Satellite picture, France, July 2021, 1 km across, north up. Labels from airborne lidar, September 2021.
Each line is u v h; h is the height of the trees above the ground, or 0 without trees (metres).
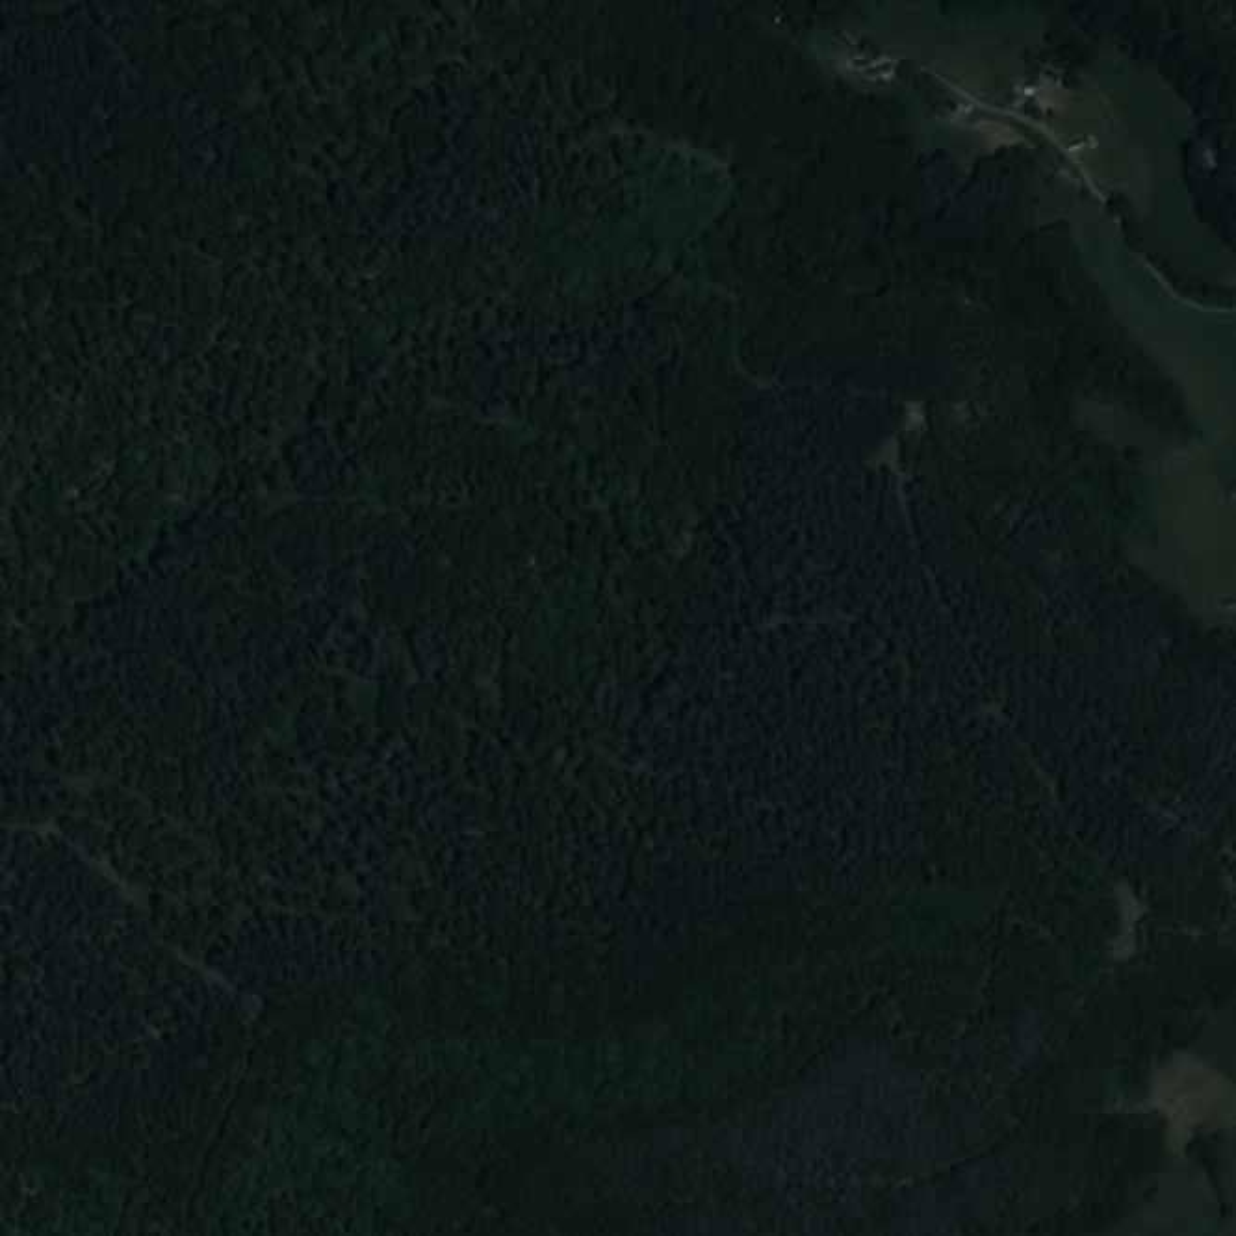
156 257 20
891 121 10
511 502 13
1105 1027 18
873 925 26
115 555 19
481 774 24
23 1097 21
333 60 29
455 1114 21
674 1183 17
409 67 30
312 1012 17
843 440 23
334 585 18
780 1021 19
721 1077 12
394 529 11
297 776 18
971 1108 19
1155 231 0
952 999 18
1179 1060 0
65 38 16
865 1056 20
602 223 21
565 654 27
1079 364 23
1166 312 0
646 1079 19
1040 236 18
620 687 15
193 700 21
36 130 13
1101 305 20
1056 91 0
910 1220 20
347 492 10
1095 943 15
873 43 19
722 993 18
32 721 15
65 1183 17
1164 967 20
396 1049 16
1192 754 20
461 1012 19
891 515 22
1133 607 20
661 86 16
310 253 23
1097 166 0
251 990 20
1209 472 0
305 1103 17
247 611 14
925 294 16
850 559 29
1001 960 15
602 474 26
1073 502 17
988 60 0
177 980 24
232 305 31
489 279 26
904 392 19
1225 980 19
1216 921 14
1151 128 0
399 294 27
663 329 25
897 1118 15
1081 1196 19
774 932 22
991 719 13
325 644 32
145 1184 22
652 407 25
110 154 20
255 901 31
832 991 19
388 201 11
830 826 17
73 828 18
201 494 11
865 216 19
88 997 26
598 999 24
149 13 21
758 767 22
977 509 20
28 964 26
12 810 16
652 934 24
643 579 15
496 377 13
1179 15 21
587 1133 12
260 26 14
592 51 19
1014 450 19
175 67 23
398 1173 14
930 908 26
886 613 25
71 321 14
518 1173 20
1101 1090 16
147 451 21
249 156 22
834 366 20
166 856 18
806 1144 19
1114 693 20
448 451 13
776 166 24
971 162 0
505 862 13
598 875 12
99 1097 24
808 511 25
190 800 16
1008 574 19
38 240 15
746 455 25
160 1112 21
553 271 22
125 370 12
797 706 16
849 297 22
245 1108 21
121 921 26
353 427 21
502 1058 21
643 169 26
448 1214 16
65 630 22
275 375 29
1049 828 23
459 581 16
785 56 26
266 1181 23
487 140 22
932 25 0
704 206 19
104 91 20
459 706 19
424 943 24
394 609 13
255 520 17
